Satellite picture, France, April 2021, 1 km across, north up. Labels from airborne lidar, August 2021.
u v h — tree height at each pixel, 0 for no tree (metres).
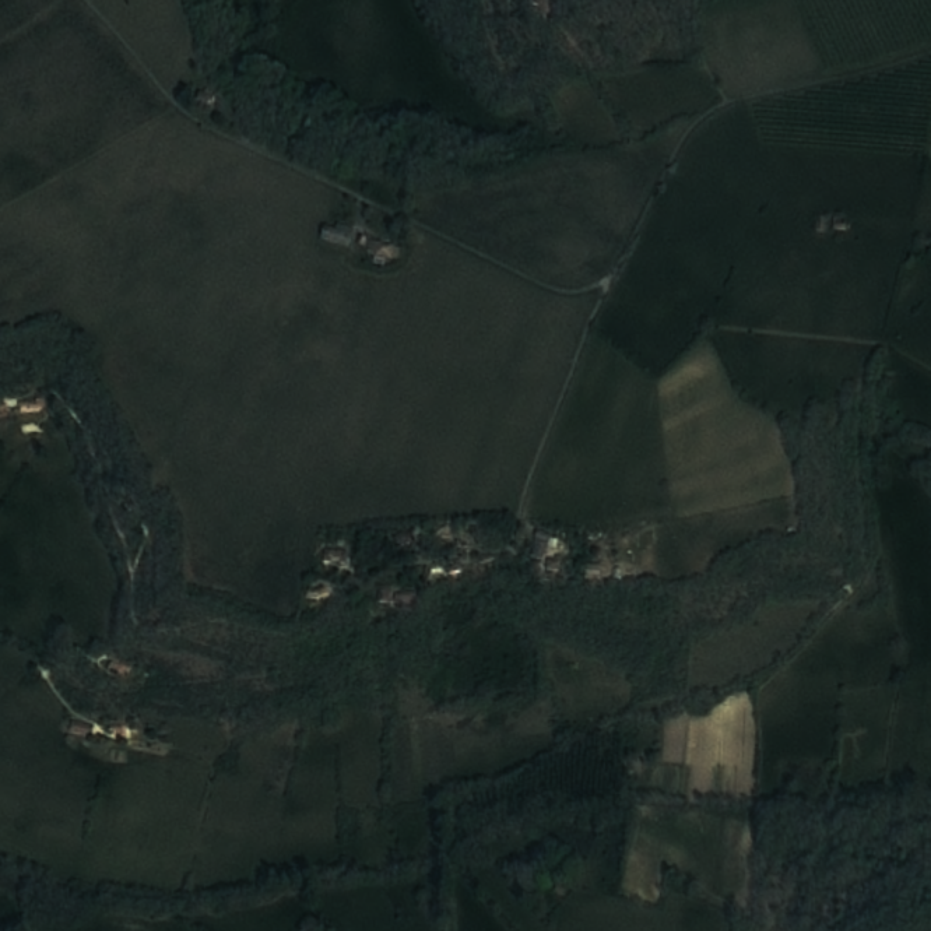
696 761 0
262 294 0
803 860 15
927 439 22
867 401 17
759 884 16
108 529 16
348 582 15
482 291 0
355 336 0
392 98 0
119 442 18
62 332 20
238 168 0
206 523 0
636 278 0
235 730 9
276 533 0
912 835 25
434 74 0
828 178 0
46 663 10
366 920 0
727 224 0
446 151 16
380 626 20
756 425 0
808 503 14
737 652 0
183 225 0
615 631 12
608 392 0
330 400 0
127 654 9
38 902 20
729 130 0
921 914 17
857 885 10
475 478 0
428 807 8
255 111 24
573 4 18
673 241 0
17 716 0
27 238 0
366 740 0
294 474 0
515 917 0
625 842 6
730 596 8
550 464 0
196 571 0
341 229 0
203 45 17
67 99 0
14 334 16
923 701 0
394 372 0
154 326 0
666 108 0
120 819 0
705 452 0
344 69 0
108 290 0
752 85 0
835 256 0
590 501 0
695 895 19
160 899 14
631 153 0
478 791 16
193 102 11
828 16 5
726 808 16
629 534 0
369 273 0
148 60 0
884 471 31
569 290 0
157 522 20
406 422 0
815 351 0
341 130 26
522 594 15
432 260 0
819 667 0
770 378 0
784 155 0
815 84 0
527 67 13
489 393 0
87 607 0
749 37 0
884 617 0
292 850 0
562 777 25
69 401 17
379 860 0
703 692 13
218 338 0
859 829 25
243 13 20
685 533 0
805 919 13
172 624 12
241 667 8
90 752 0
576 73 15
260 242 0
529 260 0
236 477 0
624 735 12
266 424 0
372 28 0
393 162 10
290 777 8
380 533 13
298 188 0
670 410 0
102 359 0
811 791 0
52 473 0
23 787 0
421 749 0
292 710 19
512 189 0
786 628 0
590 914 0
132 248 0
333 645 12
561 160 0
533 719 0
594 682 0
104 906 16
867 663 0
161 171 0
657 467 0
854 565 17
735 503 0
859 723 0
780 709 0
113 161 0
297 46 0
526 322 0
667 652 8
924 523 0
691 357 0
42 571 0
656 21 18
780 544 12
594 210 0
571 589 15
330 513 0
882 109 6
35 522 0
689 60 13
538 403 0
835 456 19
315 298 0
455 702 11
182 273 0
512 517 6
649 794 14
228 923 0
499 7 9
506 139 13
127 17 0
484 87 23
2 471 0
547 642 16
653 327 0
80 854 0
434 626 21
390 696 15
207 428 0
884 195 0
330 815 0
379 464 0
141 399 0
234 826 0
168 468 0
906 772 0
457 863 29
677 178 0
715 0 16
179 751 0
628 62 14
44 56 0
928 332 0
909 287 0
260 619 10
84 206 0
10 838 0
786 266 0
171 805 0
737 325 0
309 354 0
